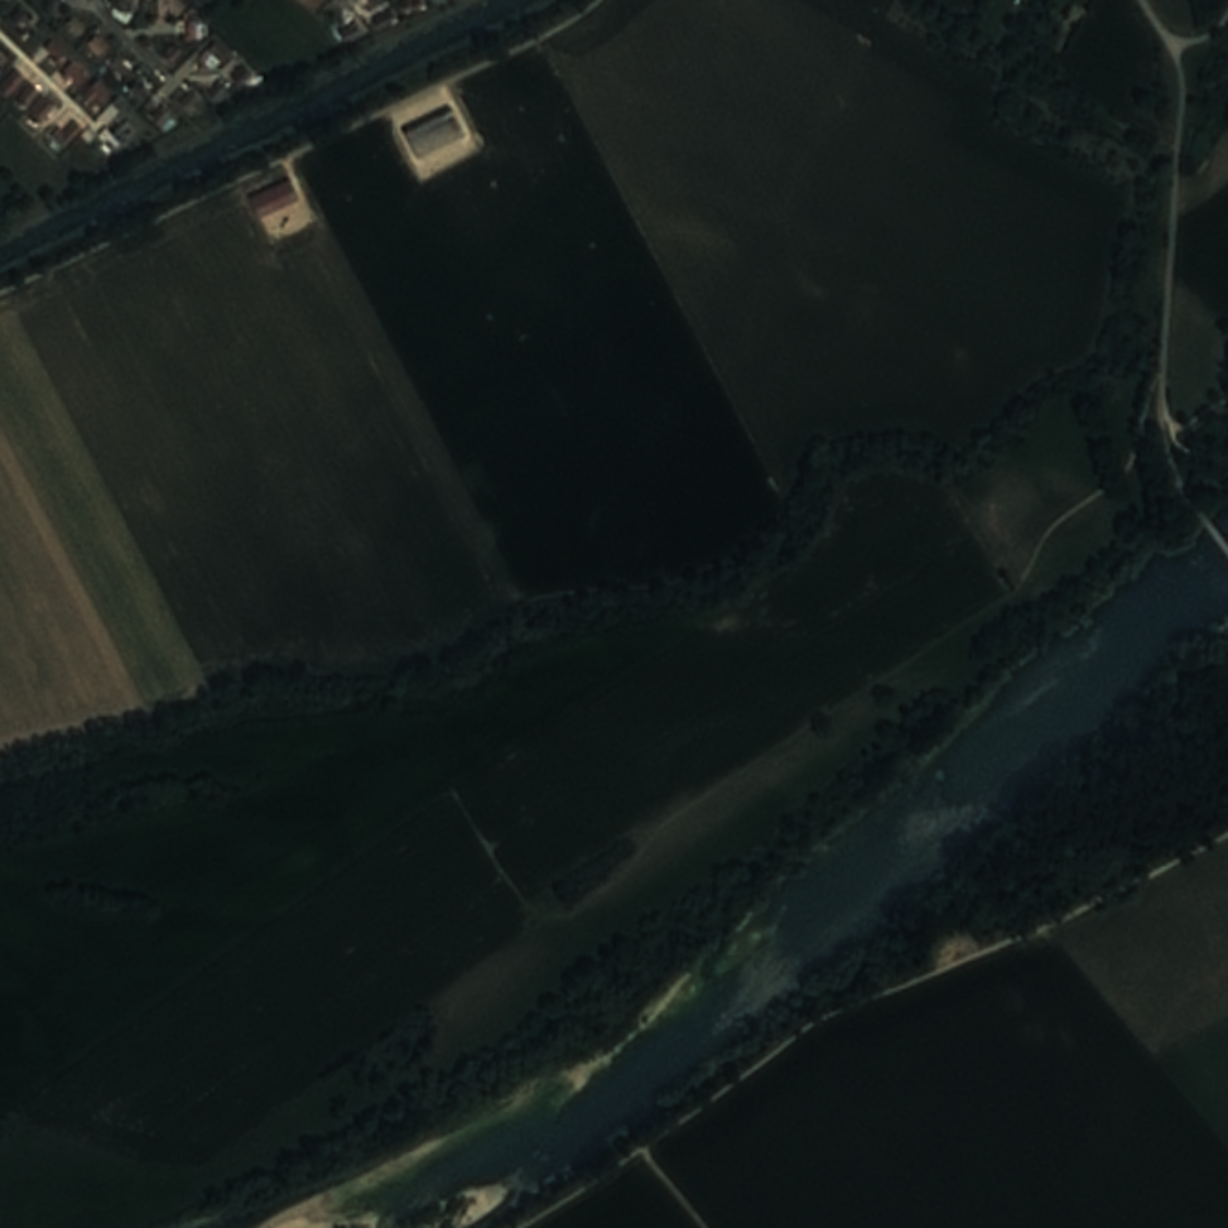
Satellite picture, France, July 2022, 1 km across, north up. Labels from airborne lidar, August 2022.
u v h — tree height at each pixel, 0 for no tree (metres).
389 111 0
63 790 16
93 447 0
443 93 0
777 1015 13
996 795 0
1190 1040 0
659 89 0
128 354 0
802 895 0
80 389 0
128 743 12
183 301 0
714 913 11
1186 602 0
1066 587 14
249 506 0
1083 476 0
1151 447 24
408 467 0
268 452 0
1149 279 0
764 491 0
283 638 0
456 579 0
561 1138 0
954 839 0
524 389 0
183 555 0
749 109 0
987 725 0
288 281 0
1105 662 0
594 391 0
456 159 0
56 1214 0
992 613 0
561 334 0
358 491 0
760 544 16
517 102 0
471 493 0
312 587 0
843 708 0
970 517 0
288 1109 0
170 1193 0
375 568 0
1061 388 9
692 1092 12
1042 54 8
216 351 0
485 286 0
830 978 19
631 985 16
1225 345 0
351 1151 15
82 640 0
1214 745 30
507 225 0
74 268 0
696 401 0
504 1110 0
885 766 20
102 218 9
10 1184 0
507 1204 0
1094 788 37
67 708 0
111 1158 0
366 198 0
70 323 0
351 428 0
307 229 0
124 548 0
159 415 0
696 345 0
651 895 0
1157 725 34
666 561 0
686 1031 0
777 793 0
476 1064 18
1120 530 11
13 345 0
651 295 0
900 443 16
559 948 0
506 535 0
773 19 0
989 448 15
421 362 0
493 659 18
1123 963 0
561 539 0
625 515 0
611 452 0
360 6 0
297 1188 8
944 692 8
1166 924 0
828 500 16
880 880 0
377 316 0
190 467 0
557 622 16
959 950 0
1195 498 20
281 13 0
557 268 0
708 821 0
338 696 17
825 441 15
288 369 0
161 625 0
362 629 0
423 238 0
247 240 0
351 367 0
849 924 0
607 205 0
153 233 0
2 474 0
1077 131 8
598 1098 0
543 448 0
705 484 0
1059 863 17
